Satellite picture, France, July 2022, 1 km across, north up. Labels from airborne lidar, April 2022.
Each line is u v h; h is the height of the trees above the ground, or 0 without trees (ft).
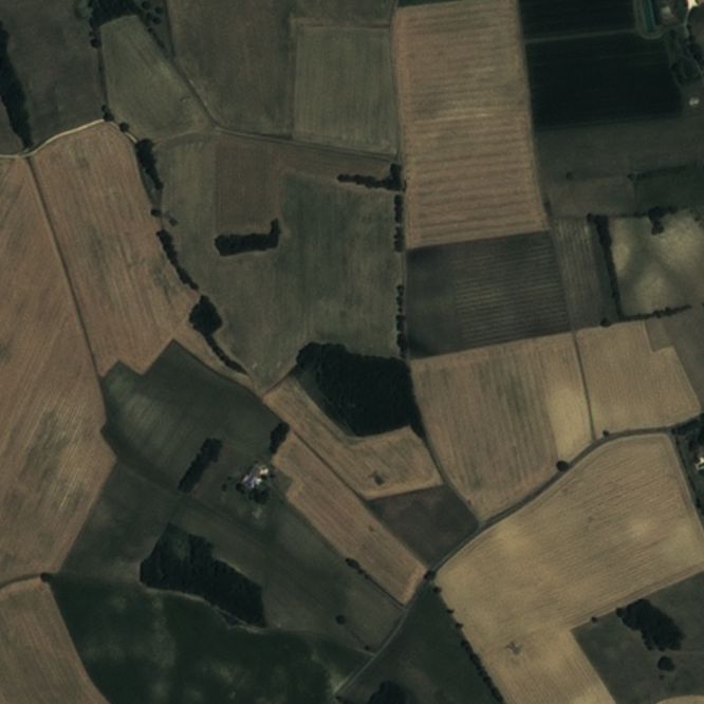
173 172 0
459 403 0
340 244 0
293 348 0
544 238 0
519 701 0
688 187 0
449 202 0
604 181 0
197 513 0
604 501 0
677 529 0
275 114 0
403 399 37
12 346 0
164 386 0
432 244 0
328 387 23
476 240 0
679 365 0
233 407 0
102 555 0
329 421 0
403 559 0
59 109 0
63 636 0
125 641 0
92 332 0
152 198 0
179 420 0
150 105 0
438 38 0
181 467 0
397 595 0
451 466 0
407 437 0
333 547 0
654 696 0
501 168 0
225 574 46
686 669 0
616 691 0
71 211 0
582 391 0
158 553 32
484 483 0
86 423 0
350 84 0
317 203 0
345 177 27
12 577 0
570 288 0
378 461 0
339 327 0
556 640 0
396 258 0
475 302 0
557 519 0
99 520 0
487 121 0
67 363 0
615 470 0
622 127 0
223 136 0
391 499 0
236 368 29
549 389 0
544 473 0
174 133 0
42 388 0
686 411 0
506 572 0
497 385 0
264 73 0
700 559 0
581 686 0
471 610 0
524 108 0
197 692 0
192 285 24
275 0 0
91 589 0
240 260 0
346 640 0
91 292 0
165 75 0
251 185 0
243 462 0
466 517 0
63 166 0
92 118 0
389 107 0
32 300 0
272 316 0
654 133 0
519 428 0
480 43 0
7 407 0
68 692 0
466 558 0
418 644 0
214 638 0
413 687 0
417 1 0
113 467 0
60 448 0
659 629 57
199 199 0
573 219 0
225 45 0
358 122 0
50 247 0
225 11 0
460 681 0
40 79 0
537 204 0
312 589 0
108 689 0
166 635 0
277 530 0
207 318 35
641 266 0
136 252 0
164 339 0
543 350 0
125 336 0
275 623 0
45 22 0
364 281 0
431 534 0
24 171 0
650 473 0
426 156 0
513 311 0
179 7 0
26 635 0
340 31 0
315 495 0
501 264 0
